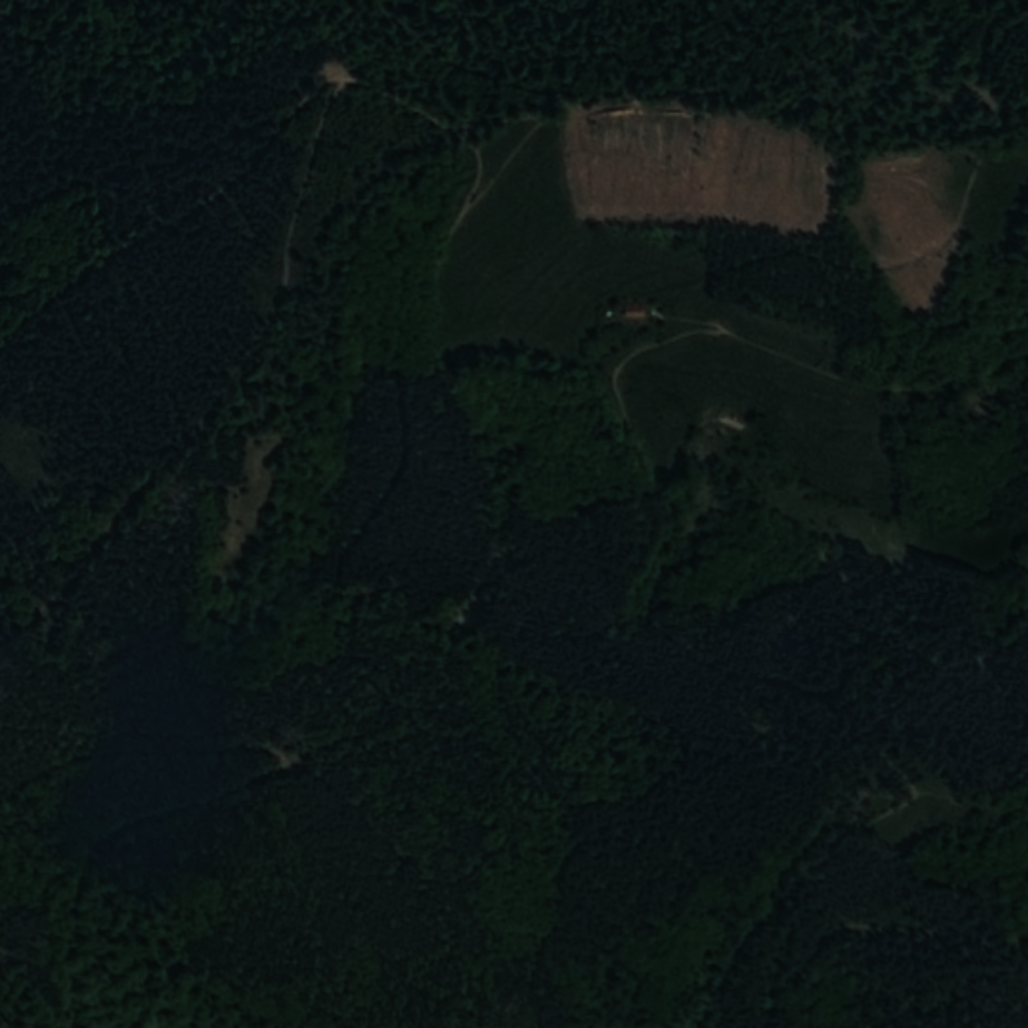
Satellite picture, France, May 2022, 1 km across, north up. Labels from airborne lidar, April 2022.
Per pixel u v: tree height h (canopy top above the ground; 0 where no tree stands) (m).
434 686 20
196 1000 29
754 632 29
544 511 28
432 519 26
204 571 17
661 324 11
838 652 39
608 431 28
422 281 23
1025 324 30
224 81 36
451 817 23
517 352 26
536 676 27
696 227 19
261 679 21
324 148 8
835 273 15
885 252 0
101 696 23
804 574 20
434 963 16
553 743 23
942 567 34
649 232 20
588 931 32
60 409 22
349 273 17
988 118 19
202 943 19
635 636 32
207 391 25
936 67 10
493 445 17
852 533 0
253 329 19
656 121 0
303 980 17
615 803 34
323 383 18
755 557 15
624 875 32
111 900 30
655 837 30
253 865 15
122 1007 35
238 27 29
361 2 9
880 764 35
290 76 28
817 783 30
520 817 18
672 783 33
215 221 19
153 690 19
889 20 20
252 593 21
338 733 17
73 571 20
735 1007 22
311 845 21
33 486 0
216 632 16
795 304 18
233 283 24
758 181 0
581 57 17
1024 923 21
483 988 17
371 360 20
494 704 20
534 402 28
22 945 25
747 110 24
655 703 30
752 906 26
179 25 7
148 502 15
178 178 24
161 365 22
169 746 17
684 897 28
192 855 18
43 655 22
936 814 0
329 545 20
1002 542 0
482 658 24
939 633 40
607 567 40
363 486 21
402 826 22
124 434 20
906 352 26
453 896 18
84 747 23
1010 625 29
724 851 33
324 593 23
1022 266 25
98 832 20
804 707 34
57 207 24
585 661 29
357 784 18
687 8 11
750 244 20
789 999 31
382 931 17
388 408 27
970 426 22
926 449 28
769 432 7
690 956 26
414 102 22
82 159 30
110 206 23
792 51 9
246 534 0
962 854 18
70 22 27
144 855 18
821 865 30
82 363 22
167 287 22
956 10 10
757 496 24
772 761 32
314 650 23
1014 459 23
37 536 19
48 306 23
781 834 31
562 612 35
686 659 32
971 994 37
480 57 41
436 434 27
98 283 24
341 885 19
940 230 0
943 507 23
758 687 28
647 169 0
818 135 23
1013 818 17
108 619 18
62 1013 20
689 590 28
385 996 14
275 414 19
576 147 0
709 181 0
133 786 22
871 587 29
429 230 17
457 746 23
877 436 0
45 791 21
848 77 36
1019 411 26
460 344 0
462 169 16
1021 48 18
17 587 19
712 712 29
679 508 21
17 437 0
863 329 25
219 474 21
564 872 30
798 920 38
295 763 0
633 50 10
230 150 26
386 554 26
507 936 25
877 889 29
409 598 24
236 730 19
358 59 21
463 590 24
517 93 9
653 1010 26
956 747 37
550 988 22
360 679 24
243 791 23
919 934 20
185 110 32
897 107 39
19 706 22
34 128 33
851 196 23
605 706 26
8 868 22
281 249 0
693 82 18
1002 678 31
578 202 0
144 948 25
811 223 0
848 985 27
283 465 19
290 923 16
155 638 21
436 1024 13
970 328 22
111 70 30
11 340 21
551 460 29
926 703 31
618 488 30
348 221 10
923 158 0
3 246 28
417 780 21
